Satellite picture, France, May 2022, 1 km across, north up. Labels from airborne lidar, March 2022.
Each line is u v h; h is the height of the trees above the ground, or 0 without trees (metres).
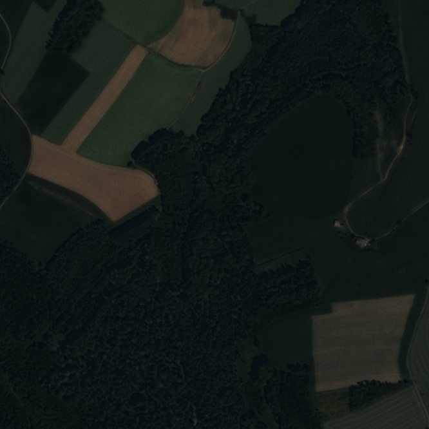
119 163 0
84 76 0
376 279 0
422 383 0
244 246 30
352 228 0
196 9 0
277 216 0
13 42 0
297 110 0
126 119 0
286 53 27
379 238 0
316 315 0
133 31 0
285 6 0
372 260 0
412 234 0
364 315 0
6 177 25
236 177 29
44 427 15
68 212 0
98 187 0
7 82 0
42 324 16
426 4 0
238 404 32
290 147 0
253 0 0
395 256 0
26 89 0
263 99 34
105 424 15
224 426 33
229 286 22
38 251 0
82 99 0
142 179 0
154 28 0
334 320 0
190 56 0
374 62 24
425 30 0
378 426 0
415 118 0
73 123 0
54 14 0
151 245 27
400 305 0
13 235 0
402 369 0
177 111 0
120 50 0
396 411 0
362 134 28
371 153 33
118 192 0
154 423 39
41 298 12
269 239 0
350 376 0
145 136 0
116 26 0
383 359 0
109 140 0
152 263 31
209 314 12
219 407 32
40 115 0
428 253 0
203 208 14
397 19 0
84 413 10
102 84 0
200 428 14
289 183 0
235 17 0
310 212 0
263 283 19
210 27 0
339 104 0
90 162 0
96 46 0
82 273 6
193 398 44
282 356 0
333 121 0
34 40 0
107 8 0
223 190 32
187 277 34
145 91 0
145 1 0
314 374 0
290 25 29
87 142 0
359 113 27
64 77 0
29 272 15
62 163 0
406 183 0
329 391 0
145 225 30
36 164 0
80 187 0
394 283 0
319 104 0
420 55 0
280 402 15
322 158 0
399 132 0
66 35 19
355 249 0
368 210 0
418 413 0
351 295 0
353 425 0
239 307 23
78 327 10
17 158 0
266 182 0
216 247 29
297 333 0
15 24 0
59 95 0
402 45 0
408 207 0
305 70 19
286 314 15
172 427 39
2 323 14
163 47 0
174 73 0
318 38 28
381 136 0
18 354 8
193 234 28
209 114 10
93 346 32
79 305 6
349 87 29
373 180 0
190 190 6
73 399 36
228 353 33
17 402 8
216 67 0
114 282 34
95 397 13
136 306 42
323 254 0
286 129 0
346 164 0
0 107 0
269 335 0
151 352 41
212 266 30
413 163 0
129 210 0
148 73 0
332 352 0
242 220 18
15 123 0
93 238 13
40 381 11
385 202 0
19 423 9
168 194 6
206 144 23
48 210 0
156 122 0
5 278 18
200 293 37
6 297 14
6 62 0
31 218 0
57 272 19
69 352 34
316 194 0
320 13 28
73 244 17
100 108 0
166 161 6
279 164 0
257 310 12
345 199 0
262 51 0
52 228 0
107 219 0
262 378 33
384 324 0
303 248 0
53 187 0
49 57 0
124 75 0
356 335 0
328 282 0
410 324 0
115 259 6
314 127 0
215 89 0
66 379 37
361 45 33
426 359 0
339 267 0
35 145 0
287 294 28
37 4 0
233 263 33
